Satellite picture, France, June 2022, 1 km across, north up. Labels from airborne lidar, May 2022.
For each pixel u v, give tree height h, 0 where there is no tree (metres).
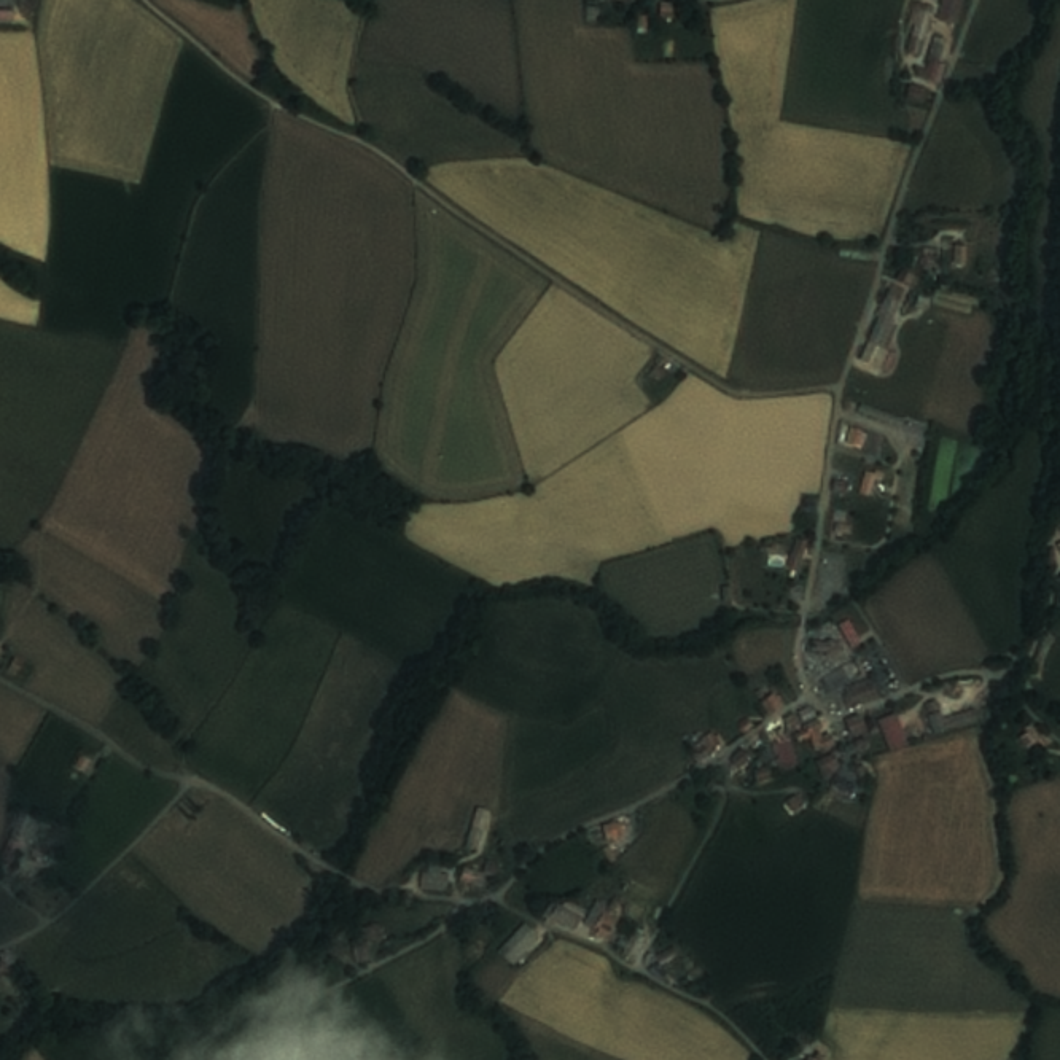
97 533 0
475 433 0
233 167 0
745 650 0
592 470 0
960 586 0
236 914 0
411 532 0
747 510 0
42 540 0
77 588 0
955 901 0
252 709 0
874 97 0
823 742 0
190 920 9
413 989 0
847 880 0
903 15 0
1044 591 16
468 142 0
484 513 0
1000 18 0
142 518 0
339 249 0
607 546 0
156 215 0
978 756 0
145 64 0
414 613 0
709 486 0
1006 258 21
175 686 0
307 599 0
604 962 0
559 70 0
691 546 0
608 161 0
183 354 30
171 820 0
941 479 0
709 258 0
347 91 0
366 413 0
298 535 20
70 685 0
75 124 0
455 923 18
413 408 0
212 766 0
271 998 11
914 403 0
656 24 14
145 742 0
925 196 0
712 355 0
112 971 0
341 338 0
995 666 14
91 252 0
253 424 0
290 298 0
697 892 0
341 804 0
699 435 0
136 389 0
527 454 0
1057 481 22
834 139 0
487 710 0
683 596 0
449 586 0
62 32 0
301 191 0
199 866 0
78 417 0
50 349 0
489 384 0
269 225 0
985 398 0
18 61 0
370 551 0
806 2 0
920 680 0
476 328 0
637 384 0
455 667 22
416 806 0
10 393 0
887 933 0
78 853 0
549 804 0
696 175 0
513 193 0
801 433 0
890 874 0
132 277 0
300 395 0
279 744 0
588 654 0
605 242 0
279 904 0
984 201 0
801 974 0
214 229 0
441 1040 0
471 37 0
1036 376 23
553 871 0
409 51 0
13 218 0
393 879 0
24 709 0
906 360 0
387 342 0
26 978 15
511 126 11
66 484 0
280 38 0
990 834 0
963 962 0
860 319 0
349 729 0
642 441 0
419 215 0
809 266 0
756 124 0
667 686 0
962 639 0
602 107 0
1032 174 28
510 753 0
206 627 0
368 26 0
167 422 0
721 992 0
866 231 0
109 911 0
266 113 0
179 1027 25
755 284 0
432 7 0
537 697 0
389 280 0
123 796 0
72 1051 0
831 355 0
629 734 0
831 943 0
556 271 0
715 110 0
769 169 0
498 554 0
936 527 8
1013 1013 0
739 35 0
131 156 0
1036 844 0
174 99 0
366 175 0
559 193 0
